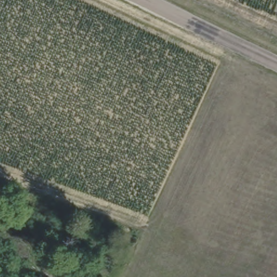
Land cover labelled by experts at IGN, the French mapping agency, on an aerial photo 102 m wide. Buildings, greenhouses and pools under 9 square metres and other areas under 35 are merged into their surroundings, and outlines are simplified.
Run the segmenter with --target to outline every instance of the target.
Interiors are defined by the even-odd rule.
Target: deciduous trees
[[[28,192],[28,187],[22,187],[16,180],[0,180],[0,277],[122,277],[136,259],[132,251],[134,242],[141,237],[141,227],[111,220],[105,211],[96,207],[77,207],[66,197],[58,200],[43,193],[32,195]]]

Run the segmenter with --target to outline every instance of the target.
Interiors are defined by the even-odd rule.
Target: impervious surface
[[[214,47],[223,50],[248,55],[251,62],[277,72],[277,55],[166,0],[127,0],[151,14],[186,28],[185,34],[200,37],[203,41],[208,39]]]

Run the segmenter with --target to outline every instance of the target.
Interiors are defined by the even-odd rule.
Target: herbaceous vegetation
[[[223,54],[223,50],[214,47],[208,39],[203,41],[200,37],[185,34],[186,28],[151,14],[127,0],[82,0],[167,42],[179,45],[185,51],[220,65],[216,58]]]
[[[277,17],[251,8],[239,0],[166,0],[277,55]]]

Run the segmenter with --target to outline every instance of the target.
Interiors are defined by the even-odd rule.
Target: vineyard
[[[239,0],[251,8],[277,17],[277,0]]]
[[[102,198],[148,217],[153,213],[175,161],[181,154],[220,65],[185,51],[179,45],[167,42],[82,0],[0,0],[0,163],[9,164],[23,174],[30,170],[42,175],[44,179],[54,179],[57,183],[79,192]]]

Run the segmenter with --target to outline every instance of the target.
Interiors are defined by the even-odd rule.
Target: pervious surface
[[[66,197],[77,207],[96,207],[105,211],[111,220],[141,227],[147,225],[148,217],[102,198],[79,192],[57,183],[54,179],[44,179],[42,175],[30,170],[23,174],[9,164],[0,163],[0,180],[16,180],[22,187],[28,187],[28,192],[32,195],[43,193],[58,200]]]

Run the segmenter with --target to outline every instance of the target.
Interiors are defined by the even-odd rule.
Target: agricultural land
[[[223,50],[223,54],[216,58],[220,65],[181,154],[175,161],[153,213],[148,217],[147,225],[141,227],[141,237],[134,242],[132,251],[136,259],[122,277],[277,277],[277,72],[251,62],[248,55]]]

